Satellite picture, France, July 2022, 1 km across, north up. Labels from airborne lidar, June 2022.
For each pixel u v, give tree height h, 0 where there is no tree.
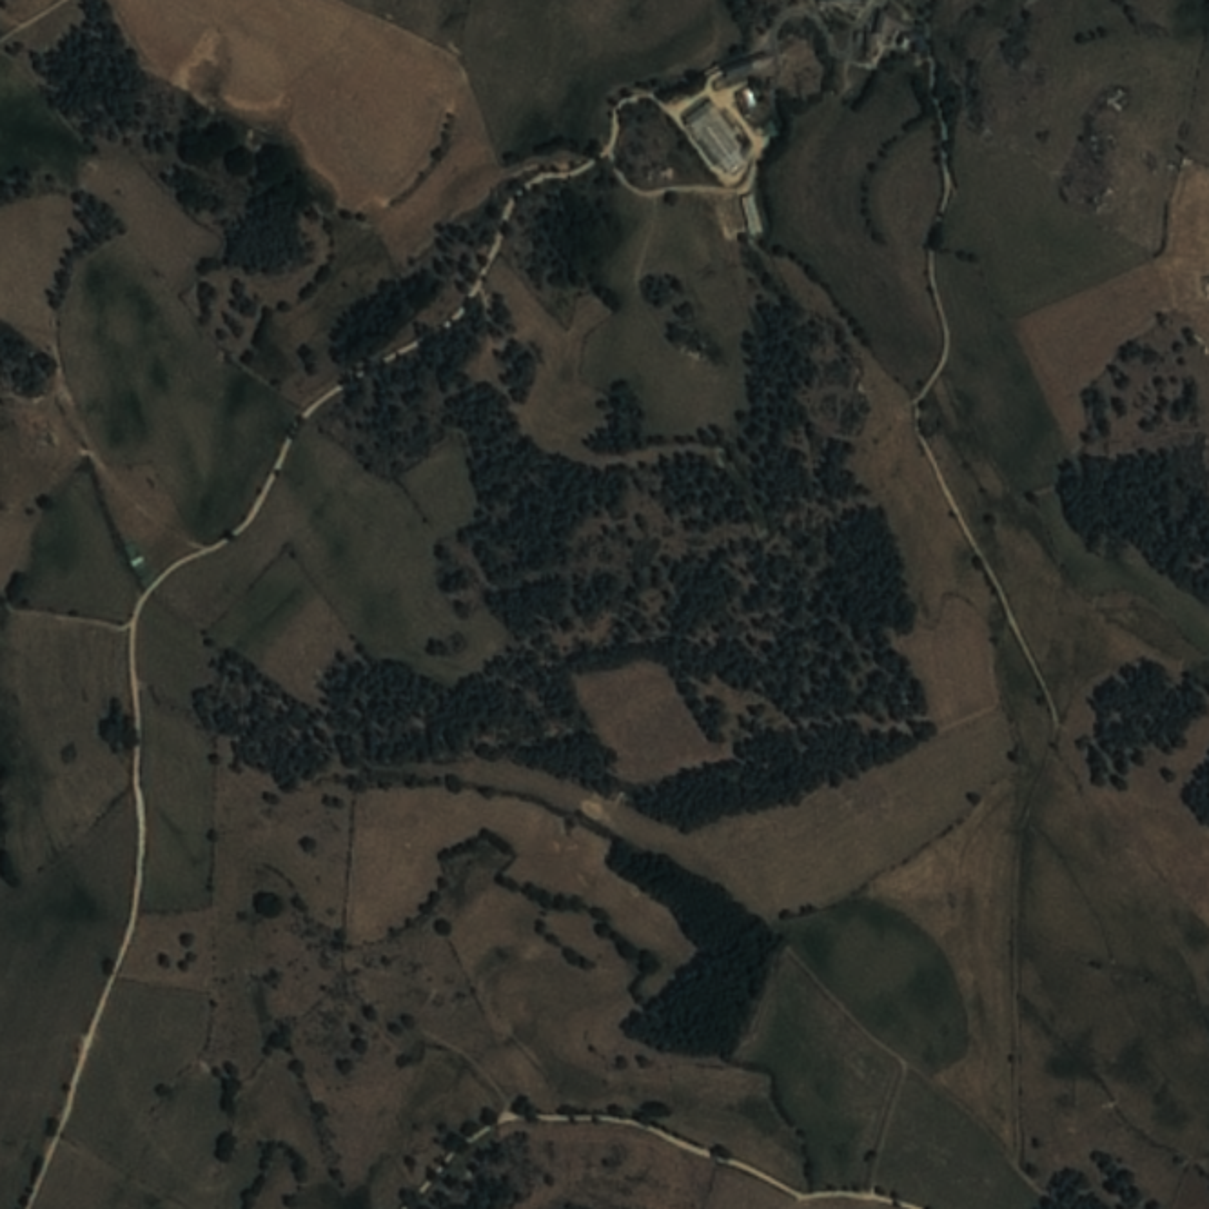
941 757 0
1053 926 0
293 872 0
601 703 0
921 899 0
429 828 0
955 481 0
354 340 9
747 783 19
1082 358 0
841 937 0
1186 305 0
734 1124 0
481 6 0
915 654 0
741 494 14
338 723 9
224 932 0
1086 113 0
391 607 0
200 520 0
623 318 0
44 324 0
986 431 0
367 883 0
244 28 0
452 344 16
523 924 0
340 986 0
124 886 0
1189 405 16
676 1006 21
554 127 0
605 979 0
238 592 0
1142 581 0
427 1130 0
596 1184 0
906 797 0
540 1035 0
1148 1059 0
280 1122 0
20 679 0
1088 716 0
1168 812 0
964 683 0
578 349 0
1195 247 0
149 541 0
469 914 0
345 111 0
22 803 0
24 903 0
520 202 11
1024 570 0
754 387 15
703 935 26
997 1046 0
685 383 0
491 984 0
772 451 16
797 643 20
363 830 0
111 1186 0
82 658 0
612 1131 0
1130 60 0
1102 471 19
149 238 0
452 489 0
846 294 0
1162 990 0
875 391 0
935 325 0
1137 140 0
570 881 0
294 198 20
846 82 0
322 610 0
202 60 0
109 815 0
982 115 0
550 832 0
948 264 0
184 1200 0
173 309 0
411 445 10
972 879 0
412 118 0
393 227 0
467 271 14
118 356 0
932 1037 0
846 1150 0
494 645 0
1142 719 11
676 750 0
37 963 0
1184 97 0
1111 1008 0
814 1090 0
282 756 19
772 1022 0
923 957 0
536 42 0
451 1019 0
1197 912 0
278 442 0
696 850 0
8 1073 0
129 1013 0
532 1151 0
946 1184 0
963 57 0
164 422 0
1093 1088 0
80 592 0
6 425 0
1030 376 0
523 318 0
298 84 0
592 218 12
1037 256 0
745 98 0
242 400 0
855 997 0
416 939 0
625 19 0
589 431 0
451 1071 0
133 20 0
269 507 0
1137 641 0
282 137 0
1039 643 0
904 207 0
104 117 19
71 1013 0
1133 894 0
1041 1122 0
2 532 0
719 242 0
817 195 0
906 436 0
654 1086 0
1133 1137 0
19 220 0
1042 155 0
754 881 0
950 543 0
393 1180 0
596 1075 0
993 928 0
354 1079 0
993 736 0
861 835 0
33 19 0
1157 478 18
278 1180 0
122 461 0
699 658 18
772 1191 0
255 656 0
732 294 0
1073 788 0
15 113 0
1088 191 0
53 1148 0
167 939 0
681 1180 0
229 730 12
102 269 0
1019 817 0
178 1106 0
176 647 0
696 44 0
